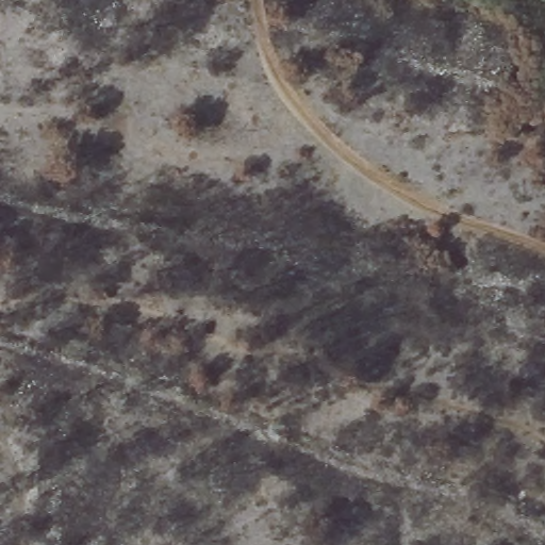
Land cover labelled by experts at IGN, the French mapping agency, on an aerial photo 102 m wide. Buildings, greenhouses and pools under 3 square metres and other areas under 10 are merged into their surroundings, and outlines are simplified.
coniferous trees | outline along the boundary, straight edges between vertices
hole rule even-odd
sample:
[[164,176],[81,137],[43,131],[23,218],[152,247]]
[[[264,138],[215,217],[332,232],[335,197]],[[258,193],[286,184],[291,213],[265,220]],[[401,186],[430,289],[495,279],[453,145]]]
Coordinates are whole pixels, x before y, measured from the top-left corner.
[[404,247],[409,247],[415,255],[415,264],[411,270],[413,275],[430,275],[432,270],[439,275],[441,283],[456,279],[456,270],[451,270],[451,258],[447,251],[430,249],[419,238],[404,238]]

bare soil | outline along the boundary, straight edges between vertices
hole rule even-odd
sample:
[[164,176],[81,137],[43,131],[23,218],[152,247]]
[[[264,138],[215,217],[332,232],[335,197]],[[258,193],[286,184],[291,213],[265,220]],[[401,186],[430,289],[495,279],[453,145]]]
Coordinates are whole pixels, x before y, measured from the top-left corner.
[[[524,28],[517,23],[505,30],[502,26],[483,19],[477,13],[458,13],[453,9],[447,9],[447,0],[0,0],[0,545],[545,545],[545,106],[536,102],[536,87],[543,79],[536,70],[536,38],[528,38],[524,34]],[[441,283],[439,275],[432,270],[430,275],[413,275],[411,270],[415,264],[415,255],[409,247],[404,247],[404,238],[419,238],[430,249],[447,251],[451,258],[451,270],[456,270],[456,279]]]

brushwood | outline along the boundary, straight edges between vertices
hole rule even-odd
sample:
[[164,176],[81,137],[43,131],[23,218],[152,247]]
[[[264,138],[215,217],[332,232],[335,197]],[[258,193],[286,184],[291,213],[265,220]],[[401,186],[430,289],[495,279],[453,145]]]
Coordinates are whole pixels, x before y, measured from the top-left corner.
[[517,23],[524,28],[524,34],[528,38],[536,38],[536,70],[543,79],[536,87],[536,102],[545,106],[545,0],[447,0],[447,9],[453,9],[458,13],[477,13],[483,19],[502,26],[505,30]]

